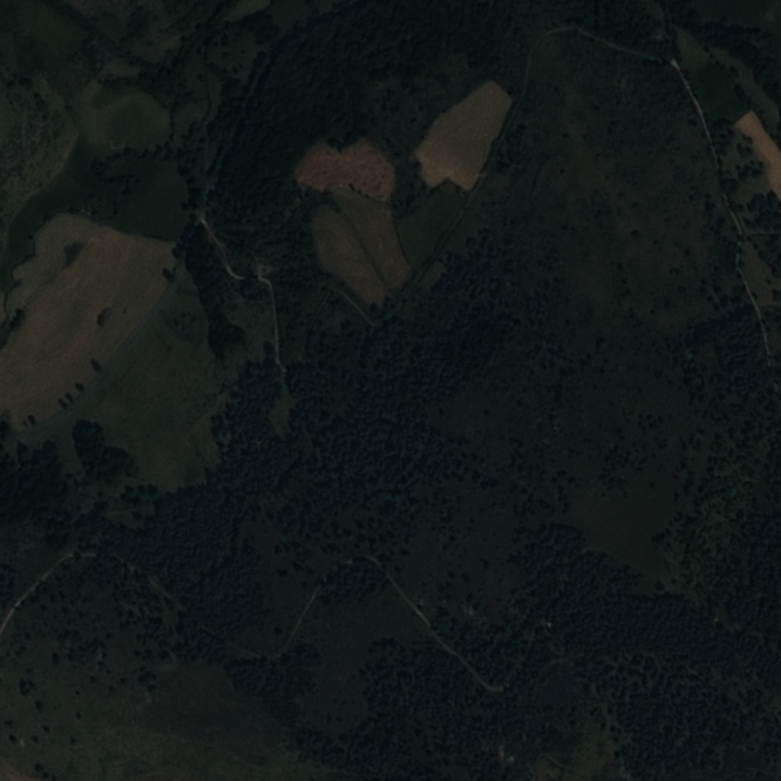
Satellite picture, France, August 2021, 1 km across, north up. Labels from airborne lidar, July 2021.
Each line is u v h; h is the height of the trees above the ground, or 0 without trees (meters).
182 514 15
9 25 0
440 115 0
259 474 17
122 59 6
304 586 8
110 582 10
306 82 8
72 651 8
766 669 12
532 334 0
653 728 16
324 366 12
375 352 17
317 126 14
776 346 0
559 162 0
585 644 15
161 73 11
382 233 0
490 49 10
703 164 0
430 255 0
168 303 0
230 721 0
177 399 0
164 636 17
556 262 0
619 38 10
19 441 0
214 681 0
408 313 0
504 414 0
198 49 7
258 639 0
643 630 13
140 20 6
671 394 0
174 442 0
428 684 15
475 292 7
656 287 0
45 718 0
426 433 17
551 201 0
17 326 7
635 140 0
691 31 13
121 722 0
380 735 9
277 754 0
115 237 0
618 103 7
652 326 0
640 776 12
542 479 5
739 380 17
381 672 11
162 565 16
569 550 13
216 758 0
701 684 11
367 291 0
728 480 10
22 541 0
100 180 7
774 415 11
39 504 14
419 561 0
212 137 6
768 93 12
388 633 0
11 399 0
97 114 0
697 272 0
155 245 0
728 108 0
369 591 9
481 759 12
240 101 14
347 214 0
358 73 12
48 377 0
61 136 0
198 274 21
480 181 0
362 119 13
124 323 0
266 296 16
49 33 0
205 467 0
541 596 8
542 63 0
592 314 0
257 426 19
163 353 0
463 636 12
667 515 0
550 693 0
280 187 14
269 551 0
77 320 0
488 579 0
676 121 0
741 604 17
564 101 0
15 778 0
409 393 14
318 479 12
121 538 13
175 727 0
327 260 0
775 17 0
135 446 0
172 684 0
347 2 6
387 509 10
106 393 0
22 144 0
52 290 0
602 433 0
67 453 0
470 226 0
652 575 0
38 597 9
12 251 0
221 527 19
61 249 0
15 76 7
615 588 8
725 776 0
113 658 0
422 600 0
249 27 13
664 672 8
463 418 0
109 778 0
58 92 0
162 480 0
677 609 17
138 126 0
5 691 0
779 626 11
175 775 0
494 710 14
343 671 0
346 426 15
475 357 16
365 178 0
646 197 0
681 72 8
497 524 0
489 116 0
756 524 12
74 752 0
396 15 12
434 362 14
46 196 0
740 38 24
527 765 0
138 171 0
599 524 0
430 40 12
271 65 16
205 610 16
